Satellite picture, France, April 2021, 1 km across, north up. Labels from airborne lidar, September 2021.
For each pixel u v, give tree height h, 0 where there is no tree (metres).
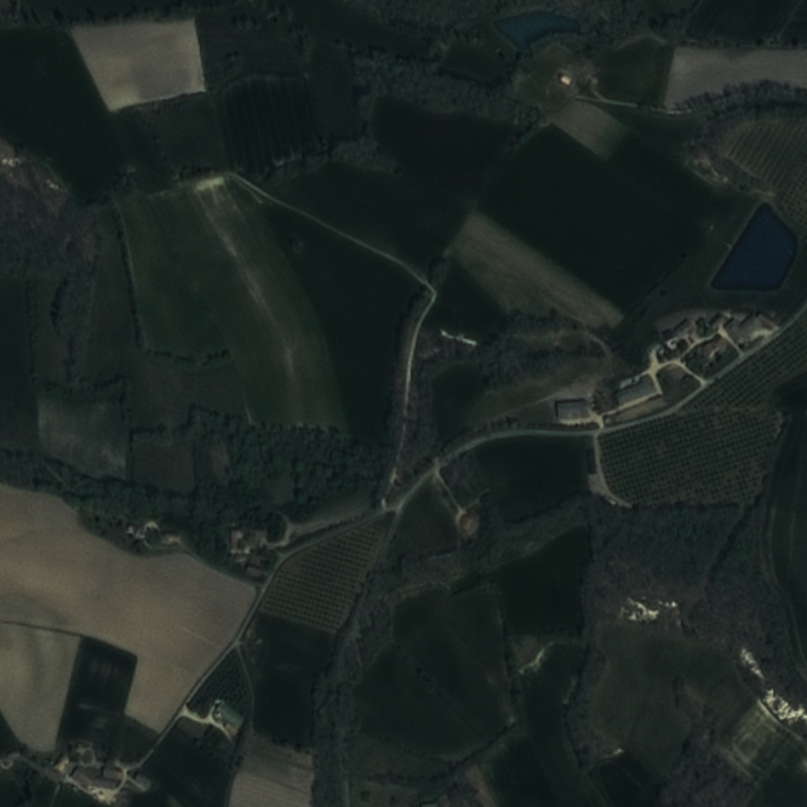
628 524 15
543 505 0
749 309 0
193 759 0
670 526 22
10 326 0
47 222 15
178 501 18
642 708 0
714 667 0
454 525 0
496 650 0
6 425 0
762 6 0
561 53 0
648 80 0
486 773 0
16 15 15
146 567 0
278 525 5
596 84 0
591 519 22
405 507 0
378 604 12
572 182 0
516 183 0
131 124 0
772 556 0
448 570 12
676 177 0
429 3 15
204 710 14
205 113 0
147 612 0
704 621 14
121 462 0
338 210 0
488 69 0
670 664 0
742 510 12
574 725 17
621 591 6
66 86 0
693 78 0
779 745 0
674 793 15
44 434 0
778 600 17
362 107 20
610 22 9
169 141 0
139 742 0
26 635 0
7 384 0
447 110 15
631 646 0
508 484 0
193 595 0
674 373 0
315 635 0
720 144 10
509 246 0
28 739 0
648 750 0
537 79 0
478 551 8
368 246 0
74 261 16
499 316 0
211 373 0
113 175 0
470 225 0
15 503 0
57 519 0
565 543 0
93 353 0
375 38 0
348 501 0
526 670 0
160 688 0
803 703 7
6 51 0
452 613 0
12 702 0
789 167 0
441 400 0
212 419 14
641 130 0
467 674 0
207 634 0
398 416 14
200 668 0
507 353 16
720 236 0
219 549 10
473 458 9
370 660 19
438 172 0
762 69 0
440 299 0
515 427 17
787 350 6
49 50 0
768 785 0
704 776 11
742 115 14
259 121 0
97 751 10
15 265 18
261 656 0
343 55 0
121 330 0
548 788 0
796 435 0
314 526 0
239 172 0
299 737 0
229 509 14
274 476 6
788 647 19
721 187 0
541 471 0
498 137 0
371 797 8
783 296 0
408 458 13
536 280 0
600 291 0
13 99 0
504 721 0
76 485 14
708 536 19
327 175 0
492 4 9
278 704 0
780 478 0
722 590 16
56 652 0
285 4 0
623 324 0
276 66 0
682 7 0
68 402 0
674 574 15
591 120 0
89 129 0
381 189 0
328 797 20
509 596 0
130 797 0
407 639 0
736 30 0
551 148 0
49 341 0
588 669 17
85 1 0
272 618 0
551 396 0
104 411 0
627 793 0
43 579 0
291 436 6
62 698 0
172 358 11
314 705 9
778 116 15
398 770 0
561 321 18
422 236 0
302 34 16
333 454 8
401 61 12
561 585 0
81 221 18
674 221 0
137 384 0
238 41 0
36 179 9
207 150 0
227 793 0
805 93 13
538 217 0
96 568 0
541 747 0
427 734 0
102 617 0
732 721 0
